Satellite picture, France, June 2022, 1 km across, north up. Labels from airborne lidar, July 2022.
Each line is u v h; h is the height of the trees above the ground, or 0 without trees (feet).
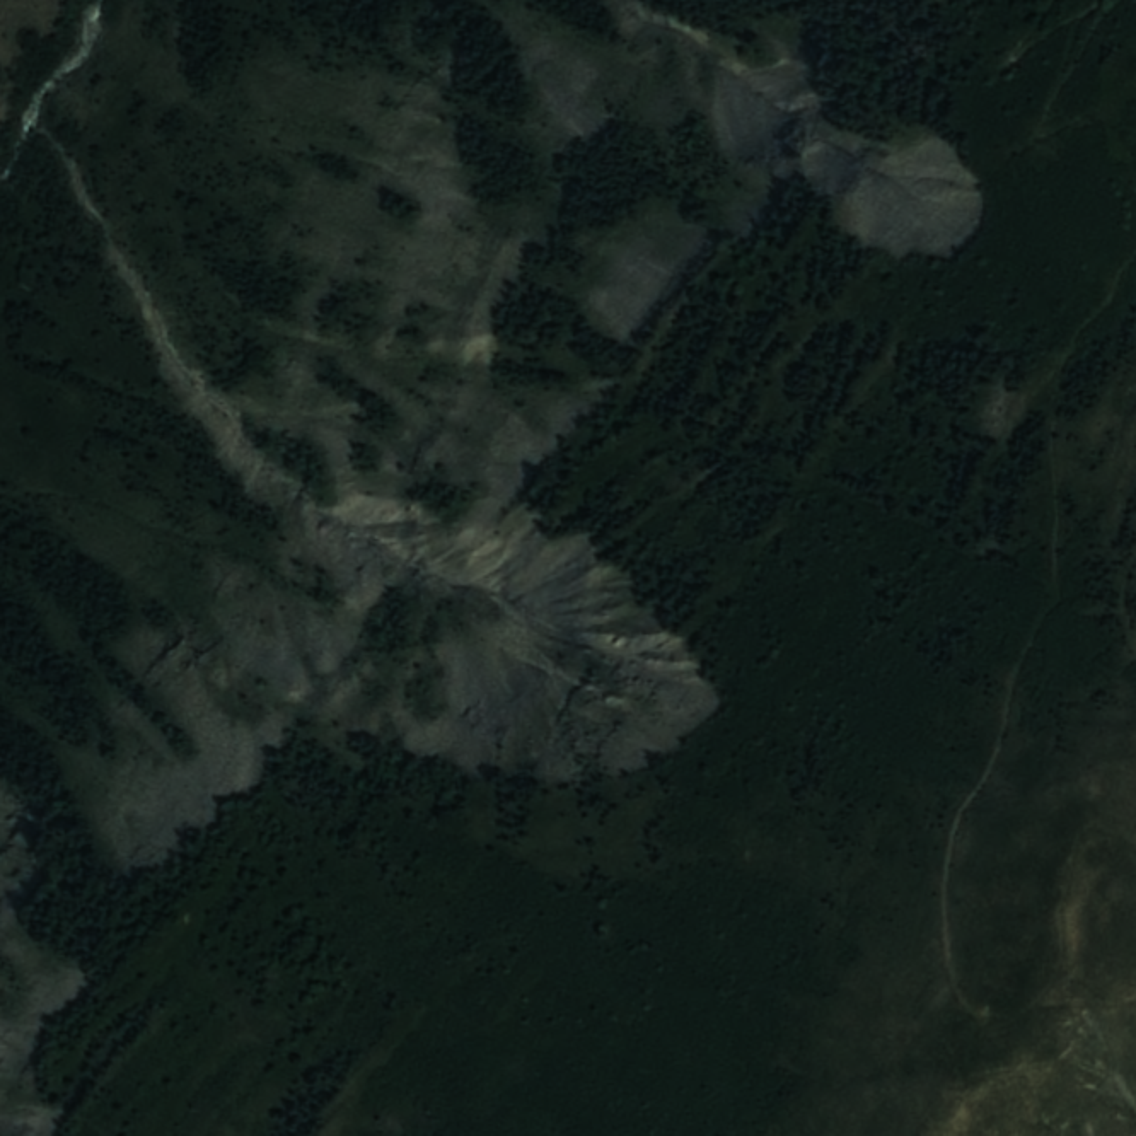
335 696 0
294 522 0
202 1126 0
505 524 0
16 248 28
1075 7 0
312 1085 56
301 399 0
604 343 31
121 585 24
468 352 0
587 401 0
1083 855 0
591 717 0
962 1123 0
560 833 0
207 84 23
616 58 0
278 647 0
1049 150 0
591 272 0
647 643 0
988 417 0
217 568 0
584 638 0
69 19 44
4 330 0
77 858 34
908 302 22
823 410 33
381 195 0
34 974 0
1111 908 0
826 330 27
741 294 24
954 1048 0
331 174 26
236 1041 0
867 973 0
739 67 0
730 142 0
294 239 0
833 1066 0
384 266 0
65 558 28
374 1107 0
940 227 0
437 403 0
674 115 0
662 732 0
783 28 0
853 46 38
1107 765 0
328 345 0
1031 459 45
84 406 0
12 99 25
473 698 0
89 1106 31
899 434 20
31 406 0
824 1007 0
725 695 22
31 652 38
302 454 37
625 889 21
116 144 0
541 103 0
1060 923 0
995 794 0
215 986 0
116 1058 27
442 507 37
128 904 51
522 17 0
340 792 32
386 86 0
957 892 0
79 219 22
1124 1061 0
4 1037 0
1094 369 35
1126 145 0
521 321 30
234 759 0
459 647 0
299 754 19
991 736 0
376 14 51
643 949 24
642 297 0
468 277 0
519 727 0
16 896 0
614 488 34
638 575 42
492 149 45
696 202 38
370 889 0
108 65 0
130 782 0
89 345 0
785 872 0
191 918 0
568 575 0
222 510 58
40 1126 0
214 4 23
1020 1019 0
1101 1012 0
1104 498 0
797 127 0
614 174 43
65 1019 28
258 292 33
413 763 56
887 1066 0
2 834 0
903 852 0
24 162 39
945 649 31
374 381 0
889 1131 0
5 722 31
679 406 50
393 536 0
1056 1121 0
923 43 73
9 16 0
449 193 0
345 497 0
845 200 0
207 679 0
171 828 0
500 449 0
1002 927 0
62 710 26
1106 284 0
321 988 31
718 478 46
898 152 0
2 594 38
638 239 0
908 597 28
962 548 42
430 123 0
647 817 0
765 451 46
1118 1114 0
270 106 0
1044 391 0
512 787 39
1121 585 0
